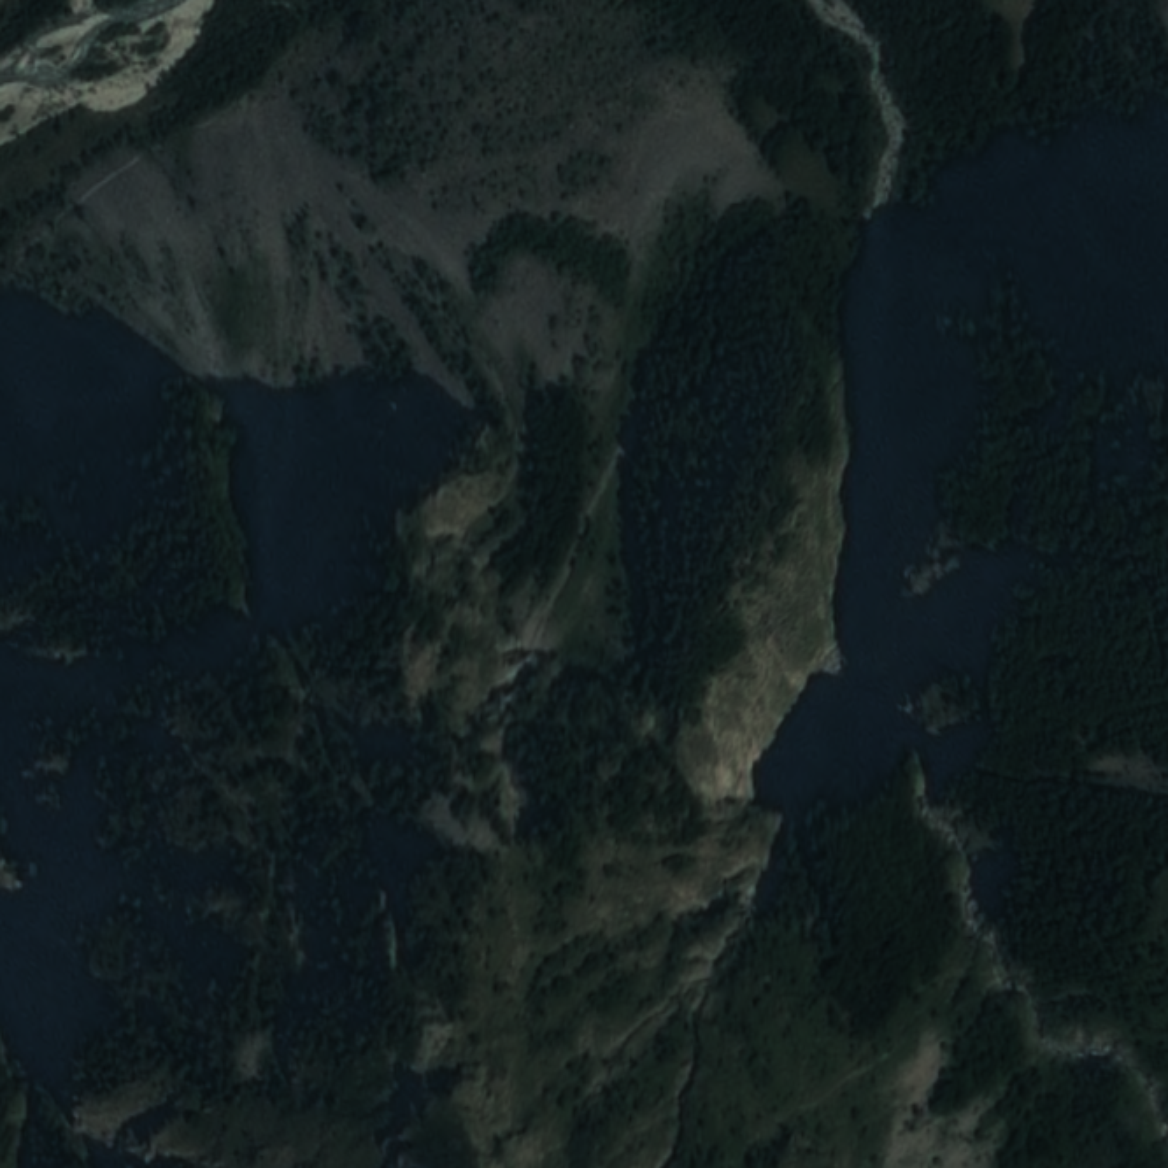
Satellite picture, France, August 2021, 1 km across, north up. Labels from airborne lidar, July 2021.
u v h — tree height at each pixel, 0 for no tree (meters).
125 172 0
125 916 8
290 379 0
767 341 19
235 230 0
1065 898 12
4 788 0
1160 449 16
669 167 0
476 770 7
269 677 8
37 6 9
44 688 8
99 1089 10
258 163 0
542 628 0
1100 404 19
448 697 8
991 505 16
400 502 18
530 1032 9
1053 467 14
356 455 0
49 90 0
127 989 0
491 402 7
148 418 20
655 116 0
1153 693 16
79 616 11
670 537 27
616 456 0
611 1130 7
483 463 8
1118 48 13
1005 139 18
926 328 11
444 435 7
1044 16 16
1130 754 12
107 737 9
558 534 16
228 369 0
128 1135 0
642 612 11
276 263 0
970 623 0
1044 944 10
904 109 7
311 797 9
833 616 0
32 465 0
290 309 0
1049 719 17
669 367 18
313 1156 0
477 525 0
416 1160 0
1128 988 9
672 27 10
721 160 0
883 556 0
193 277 0
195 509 14
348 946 9
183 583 14
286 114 0
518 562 16
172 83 11
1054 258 8
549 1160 0
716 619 6
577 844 7
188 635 12
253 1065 0
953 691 9
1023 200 6
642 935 8
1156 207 7
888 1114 0
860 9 16
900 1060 0
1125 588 12
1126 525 10
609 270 6
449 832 0
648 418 12
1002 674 12
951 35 21
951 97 20
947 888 10
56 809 0
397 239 0
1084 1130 6
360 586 15
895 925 14
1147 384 8
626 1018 0
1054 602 12
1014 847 23
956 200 20
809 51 27
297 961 0
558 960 9
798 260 10
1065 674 20
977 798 12
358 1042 7
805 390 9
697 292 9
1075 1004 10
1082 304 19
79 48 0
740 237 11
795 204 9
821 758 0
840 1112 0
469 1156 0
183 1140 0
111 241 0
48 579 19
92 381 9
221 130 0
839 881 10
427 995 0
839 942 11
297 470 0
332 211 0
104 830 8
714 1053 0
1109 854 14
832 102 17
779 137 14
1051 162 8
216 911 0
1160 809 17
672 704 16
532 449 13
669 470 13
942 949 12
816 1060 7
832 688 0
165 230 0
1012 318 8
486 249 6
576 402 14
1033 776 9
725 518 25
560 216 7
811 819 19
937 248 12
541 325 0
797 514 7
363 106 8
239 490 14
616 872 11
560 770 14
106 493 20
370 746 7
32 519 13
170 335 0
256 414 0
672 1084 0
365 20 20
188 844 0
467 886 8
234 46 11
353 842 6
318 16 14
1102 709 17
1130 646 16
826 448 11
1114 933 16
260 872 7
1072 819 21
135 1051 8
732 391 21
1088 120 14
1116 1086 7
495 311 0
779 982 6
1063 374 18
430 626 17
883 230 0
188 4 0
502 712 0
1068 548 10
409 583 8
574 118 6
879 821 21
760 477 16
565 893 11
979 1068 12
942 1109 13
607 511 0
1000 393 19
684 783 14
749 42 19
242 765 0
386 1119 0
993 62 20
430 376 0
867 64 6
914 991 10
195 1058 6
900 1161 0
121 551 12
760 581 8
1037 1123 7
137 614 7
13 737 0
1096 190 7
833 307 11
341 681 11
